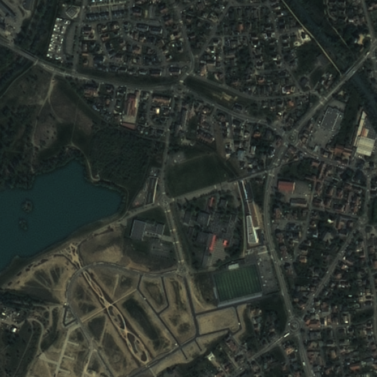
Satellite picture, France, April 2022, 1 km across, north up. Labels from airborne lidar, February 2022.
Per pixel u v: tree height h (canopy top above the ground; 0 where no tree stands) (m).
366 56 0
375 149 0
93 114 0
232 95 0
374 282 0
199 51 0
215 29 0
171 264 0
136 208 0
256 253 0
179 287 0
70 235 0
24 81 0
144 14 0
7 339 0
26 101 0
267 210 0
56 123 0
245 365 0
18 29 0
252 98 0
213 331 0
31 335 0
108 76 0
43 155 0
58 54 0
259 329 0
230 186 0
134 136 14
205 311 0
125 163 8
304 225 0
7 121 0
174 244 0
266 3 0
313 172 0
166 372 0
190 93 0
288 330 0
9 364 0
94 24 0
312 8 16
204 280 0
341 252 0
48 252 0
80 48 0
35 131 0
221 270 0
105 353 0
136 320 0
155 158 0
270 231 0
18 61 9
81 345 0
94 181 0
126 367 0
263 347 0
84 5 0
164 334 0
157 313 0
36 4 0
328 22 14
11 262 0
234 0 0
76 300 0
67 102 0
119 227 0
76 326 0
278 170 0
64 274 0
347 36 11
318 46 6
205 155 0
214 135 0
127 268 0
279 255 0
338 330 0
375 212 12
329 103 0
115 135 8
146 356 0
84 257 0
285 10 9
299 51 0
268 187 0
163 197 0
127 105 0
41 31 18
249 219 0
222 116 0
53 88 0
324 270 13
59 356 0
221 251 0
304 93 0
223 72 0
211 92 0
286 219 0
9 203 0
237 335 0
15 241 0
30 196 0
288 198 0
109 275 0
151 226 0
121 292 0
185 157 0
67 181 0
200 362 11
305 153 0
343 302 6
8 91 0
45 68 0
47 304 0
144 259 0
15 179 18
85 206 0
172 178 0
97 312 0
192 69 0
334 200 9
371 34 0
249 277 0
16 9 0
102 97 7
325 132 0
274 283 0
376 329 0
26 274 0
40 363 0
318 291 0
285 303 0
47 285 0
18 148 0
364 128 0
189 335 0
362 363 0
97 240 0
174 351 0
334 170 0
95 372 0
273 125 0
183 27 0
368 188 0
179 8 0
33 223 0
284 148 0
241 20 0
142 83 0
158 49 0
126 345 0
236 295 0
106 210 0
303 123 0
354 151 0
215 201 9
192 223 0
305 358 0
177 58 0
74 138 0
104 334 0
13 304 7
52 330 9
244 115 0
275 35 0
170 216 0
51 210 0
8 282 0
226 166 0
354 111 0
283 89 0
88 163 0
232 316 0
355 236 10
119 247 0
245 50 6
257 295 0
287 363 0
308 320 0
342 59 8
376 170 0
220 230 0
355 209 0
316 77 0
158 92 0
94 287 0
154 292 0
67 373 0
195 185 0
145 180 0
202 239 0
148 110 0
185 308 0
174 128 9
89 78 0
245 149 0
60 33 0
